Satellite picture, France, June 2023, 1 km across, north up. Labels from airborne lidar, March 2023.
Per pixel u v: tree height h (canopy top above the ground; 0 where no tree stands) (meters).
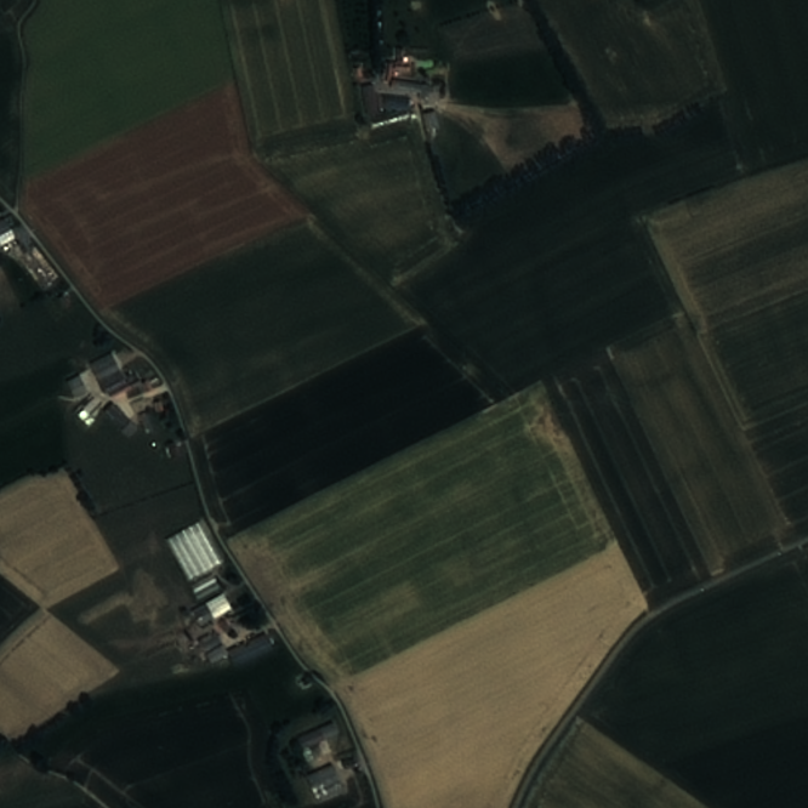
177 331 0
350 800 0
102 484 0
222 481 0
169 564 0
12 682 0
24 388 0
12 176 0
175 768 0
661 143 0
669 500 0
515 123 0
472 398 0
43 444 0
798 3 0
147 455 0
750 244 0
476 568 0
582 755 0
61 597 0
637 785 0
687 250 0
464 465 0
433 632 0
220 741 0
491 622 0
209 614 0
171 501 0
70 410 0
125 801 0
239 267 0
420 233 0
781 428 0
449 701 0
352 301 0
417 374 0
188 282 0
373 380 0
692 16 0
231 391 0
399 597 0
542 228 0
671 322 0
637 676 0
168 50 0
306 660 0
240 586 0
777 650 0
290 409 0
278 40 0
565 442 0
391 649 0
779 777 0
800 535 0
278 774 11
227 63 0
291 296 0
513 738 0
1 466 0
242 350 0
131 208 0
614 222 0
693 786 0
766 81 0
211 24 0
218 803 0
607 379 0
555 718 0
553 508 0
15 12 0
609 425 0
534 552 0
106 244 0
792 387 0
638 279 0
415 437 0
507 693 0
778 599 0
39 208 0
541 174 30
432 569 0
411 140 0
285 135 0
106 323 0
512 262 0
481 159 0
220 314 0
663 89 0
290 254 0
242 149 0
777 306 0
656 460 0
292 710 0
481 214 31
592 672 0
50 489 0
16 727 0
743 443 0
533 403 0
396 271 0
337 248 0
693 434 0
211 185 0
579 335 0
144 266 0
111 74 0
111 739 0
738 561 0
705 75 0
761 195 0
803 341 0
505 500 0
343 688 0
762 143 0
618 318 0
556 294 0
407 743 0
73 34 0
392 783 0
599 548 0
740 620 0
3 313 0
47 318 0
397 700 0
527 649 0
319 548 0
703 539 0
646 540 0
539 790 0
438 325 0
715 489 0
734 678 0
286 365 0
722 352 0
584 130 0
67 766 0
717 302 0
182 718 0
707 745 0
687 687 0
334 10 0
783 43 0
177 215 0
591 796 0
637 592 0
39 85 0
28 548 0
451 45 0
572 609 0
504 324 0
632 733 0
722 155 0
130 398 0
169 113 0
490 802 0
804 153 0
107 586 0
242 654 0
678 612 0
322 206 0
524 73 0
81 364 0
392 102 0
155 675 0
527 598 0
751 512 0
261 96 0
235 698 0
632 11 0
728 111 0
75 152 0
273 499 0
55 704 0
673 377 0
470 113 0
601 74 0
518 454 0
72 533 0
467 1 0
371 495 0
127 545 0
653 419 0
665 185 0
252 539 0
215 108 0
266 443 0
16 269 0
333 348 0
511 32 0
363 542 0
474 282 0
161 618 0
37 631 0
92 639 0
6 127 0
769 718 0
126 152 0
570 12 0
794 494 0
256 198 0
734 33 0
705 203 0
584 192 0
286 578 0
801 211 0
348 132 0
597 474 0
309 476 0
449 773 0
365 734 0
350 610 0
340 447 0
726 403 0
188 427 0
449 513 0
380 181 0
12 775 0
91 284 0
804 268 0
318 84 0
